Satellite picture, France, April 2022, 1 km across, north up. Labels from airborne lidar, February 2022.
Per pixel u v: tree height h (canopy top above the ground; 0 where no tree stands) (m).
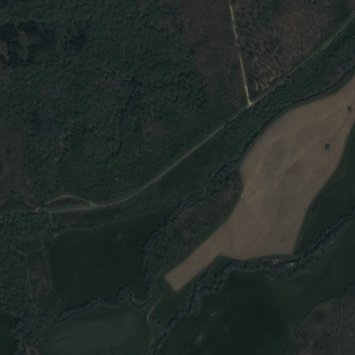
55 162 24
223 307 0
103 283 0
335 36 0
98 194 14
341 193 0
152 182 0
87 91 27
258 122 28
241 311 0
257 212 0
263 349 0
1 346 0
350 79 0
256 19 26
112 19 21
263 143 0
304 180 0
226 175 24
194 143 13
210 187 26
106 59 23
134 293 15
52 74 20
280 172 0
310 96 22
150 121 29
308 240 0
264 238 0
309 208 0
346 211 0
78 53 20
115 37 21
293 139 0
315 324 0
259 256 0
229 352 0
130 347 0
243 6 0
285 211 0
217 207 0
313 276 0
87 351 0
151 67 22
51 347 0
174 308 0
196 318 0
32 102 19
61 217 0
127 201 0
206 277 0
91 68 22
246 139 25
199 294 17
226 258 0
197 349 0
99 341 0
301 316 0
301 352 0
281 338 0
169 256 25
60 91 22
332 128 0
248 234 0
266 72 31
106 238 0
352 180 0
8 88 28
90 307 15
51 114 26
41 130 26
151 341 0
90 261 0
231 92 9
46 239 0
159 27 20
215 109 13
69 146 28
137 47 23
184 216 0
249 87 0
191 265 0
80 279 0
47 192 26
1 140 0
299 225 0
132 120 25
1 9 22
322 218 0
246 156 0
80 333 0
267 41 0
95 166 27
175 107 28
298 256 15
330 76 23
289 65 0
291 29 0
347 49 21
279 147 0
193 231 0
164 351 0
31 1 20
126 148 27
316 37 0
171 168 0
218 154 0
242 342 0
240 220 0
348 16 7
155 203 6
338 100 0
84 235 0
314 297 0
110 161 22
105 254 0
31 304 19
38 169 16
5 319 0
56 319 20
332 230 10
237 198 0
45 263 0
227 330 0
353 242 0
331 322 0
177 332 0
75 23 26
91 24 24
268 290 0
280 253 0
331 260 0
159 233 16
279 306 0
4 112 20
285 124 0
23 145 0
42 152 22
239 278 0
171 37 28
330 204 0
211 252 0
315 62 18
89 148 28
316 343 0
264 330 0
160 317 0
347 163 0
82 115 27
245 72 0
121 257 0
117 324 0
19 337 24
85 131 17
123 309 0
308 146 0
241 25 0
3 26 22
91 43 25
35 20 16
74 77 30
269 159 0
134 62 23
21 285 14
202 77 20
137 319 0
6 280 8
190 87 24
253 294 0
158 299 0
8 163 0
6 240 31
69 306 0
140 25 21
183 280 0
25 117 26
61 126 21
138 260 0
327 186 0
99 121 27
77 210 0
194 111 15
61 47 27
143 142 25
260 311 0
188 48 25
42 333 23
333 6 12
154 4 21
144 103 26
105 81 30
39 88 23
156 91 28
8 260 18
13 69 27
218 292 0
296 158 0
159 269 21
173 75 26
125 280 0
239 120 11
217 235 0
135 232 0
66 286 0
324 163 0
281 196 0
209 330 0
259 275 0
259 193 0
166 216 0
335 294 0
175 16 25
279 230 0
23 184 0
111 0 23
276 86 0
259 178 0
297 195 0
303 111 0
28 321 28
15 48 19
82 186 15
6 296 18
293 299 0
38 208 0
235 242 0
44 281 0
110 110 28
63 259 0
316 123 0
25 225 26
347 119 0
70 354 0
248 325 0
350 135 0
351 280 0
